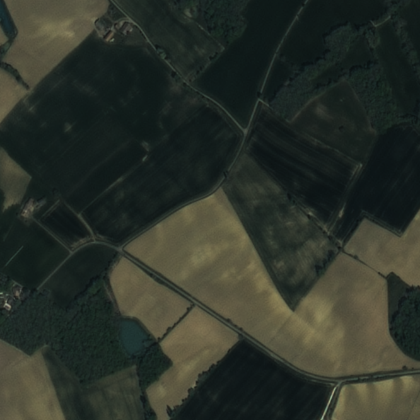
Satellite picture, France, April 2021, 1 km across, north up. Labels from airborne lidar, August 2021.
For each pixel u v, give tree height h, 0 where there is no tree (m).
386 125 22
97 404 0
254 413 0
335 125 0
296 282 0
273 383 0
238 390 0
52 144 0
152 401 0
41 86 0
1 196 0
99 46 0
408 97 0
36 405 0
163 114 0
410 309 23
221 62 0
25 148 0
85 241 0
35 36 0
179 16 0
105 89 0
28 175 0
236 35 18
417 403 0
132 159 0
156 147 0
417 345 23
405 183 0
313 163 0
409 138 0
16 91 0
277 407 0
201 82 0
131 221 0
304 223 0
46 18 0
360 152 0
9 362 0
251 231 0
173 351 0
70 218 0
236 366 0
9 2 0
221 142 0
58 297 0
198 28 0
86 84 0
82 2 0
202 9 12
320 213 0
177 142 0
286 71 0
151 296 0
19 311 19
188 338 0
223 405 0
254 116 0
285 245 0
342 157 0
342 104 0
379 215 0
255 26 0
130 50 0
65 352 16
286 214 0
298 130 0
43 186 0
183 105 0
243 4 13
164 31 0
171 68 0
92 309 21
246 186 0
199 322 0
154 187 0
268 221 0
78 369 15
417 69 17
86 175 0
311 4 0
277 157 0
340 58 14
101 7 0
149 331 0
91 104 0
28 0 0
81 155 0
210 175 0
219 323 0
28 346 18
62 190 0
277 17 0
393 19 16
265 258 0
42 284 0
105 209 0
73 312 21
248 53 0
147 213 0
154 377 16
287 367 0
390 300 0
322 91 21
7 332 20
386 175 0
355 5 0
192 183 0
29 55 0
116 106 0
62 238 0
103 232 0
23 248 0
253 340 0
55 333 18
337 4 0
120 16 0
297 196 0
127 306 0
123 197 0
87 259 0
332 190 0
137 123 0
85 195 0
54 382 0
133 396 0
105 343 20
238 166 0
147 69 0
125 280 0
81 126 0
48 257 0
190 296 0
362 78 21
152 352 16
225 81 0
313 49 0
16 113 0
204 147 0
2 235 0
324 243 0
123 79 0
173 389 0
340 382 0
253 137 0
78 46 0
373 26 13
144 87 0
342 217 0
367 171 0
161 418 0
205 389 0
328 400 0
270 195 0
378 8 0
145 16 0
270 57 0
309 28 0
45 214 0
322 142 0
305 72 19
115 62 0
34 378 0
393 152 0
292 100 18
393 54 0
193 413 0
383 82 22
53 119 0
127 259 0
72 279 0
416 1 0
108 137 0
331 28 0
